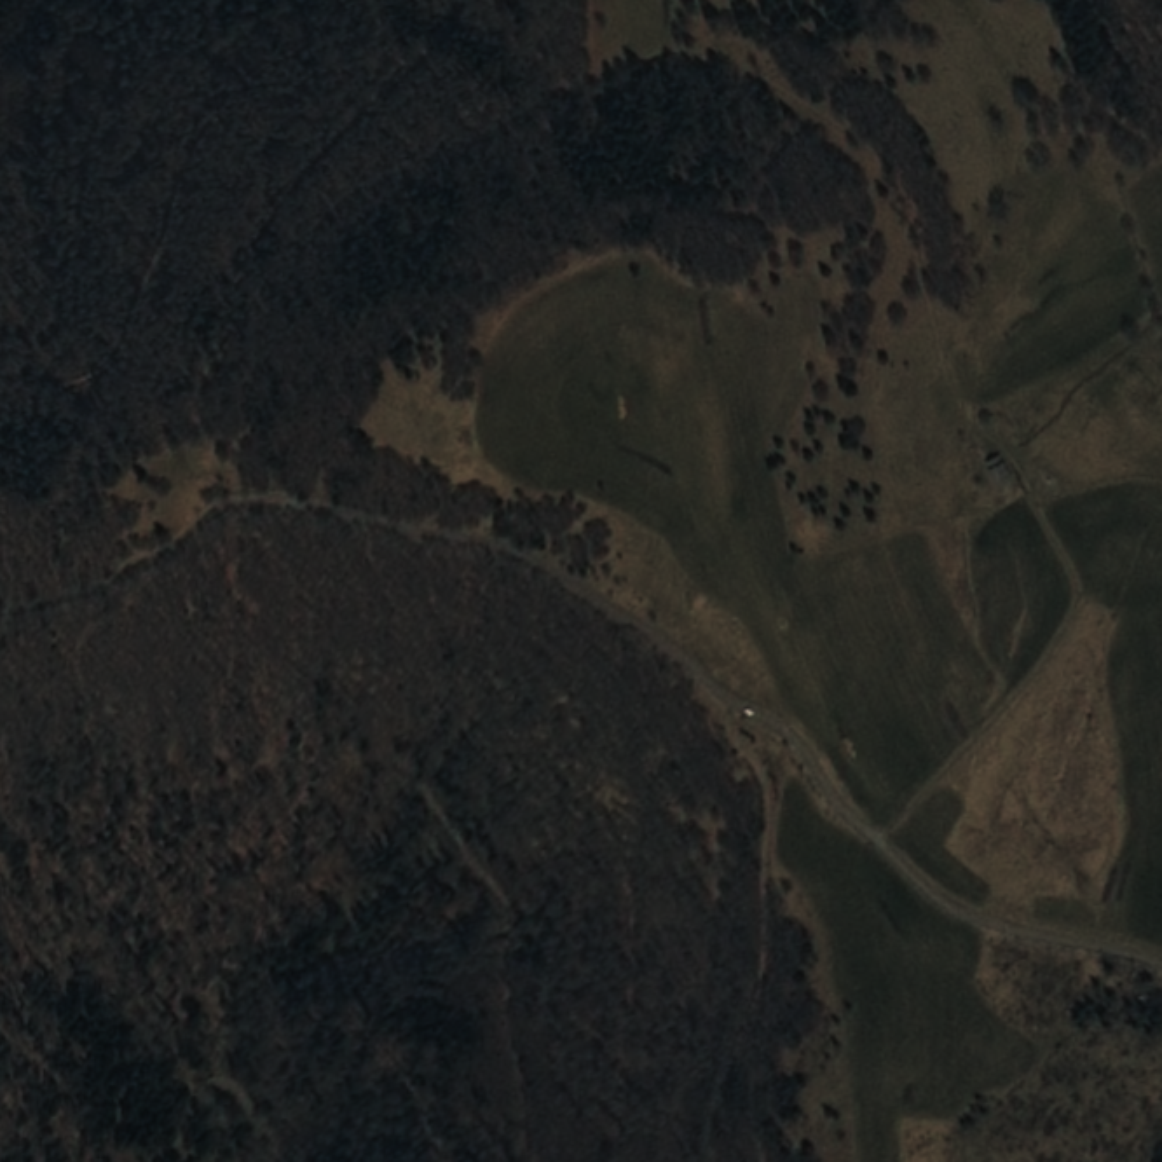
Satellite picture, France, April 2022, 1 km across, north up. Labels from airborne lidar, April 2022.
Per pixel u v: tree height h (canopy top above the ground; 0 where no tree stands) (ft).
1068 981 0
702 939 35
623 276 0
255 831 93
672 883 53
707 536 0
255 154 81
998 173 0
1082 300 0
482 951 87
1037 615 0
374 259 66
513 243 54
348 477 34
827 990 0
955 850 0
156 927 100
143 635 81
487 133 33
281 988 105
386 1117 92
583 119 41
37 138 20
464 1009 60
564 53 57
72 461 64
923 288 39
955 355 0
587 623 42
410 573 64
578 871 79
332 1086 70
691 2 50
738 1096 48
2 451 60
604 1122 30
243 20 88
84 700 91
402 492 39
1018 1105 0
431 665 76
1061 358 0
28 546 47
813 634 0
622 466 0
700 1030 69
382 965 104
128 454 46
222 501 45
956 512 0
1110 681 0
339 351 43
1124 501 0
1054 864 0
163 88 80
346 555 69
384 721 90
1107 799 0
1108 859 0
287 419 42
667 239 44
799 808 0
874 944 0
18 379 73
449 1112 31
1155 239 0
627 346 0
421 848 85
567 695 54
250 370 53
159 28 88
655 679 42
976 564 0
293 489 44
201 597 66
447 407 0
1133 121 50
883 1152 0
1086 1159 0
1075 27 60
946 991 0
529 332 0
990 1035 0
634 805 60
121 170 67
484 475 0
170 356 75
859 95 57
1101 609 0
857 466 0
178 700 85
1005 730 0
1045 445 0
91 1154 58
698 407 0
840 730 0
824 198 59
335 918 107
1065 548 0
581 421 0
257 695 85
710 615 0
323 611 87
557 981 83
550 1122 53
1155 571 0
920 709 0
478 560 50
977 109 0
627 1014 71
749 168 54
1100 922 0
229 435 41
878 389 0
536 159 60
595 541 29
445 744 81
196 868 95
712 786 42
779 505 0
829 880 0
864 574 0
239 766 27
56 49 89
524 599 51
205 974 92
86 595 28
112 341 83
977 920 0
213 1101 70
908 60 0
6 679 73
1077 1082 0
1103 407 0
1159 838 0
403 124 74
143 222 72
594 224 58
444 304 42
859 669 0
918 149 48
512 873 45
